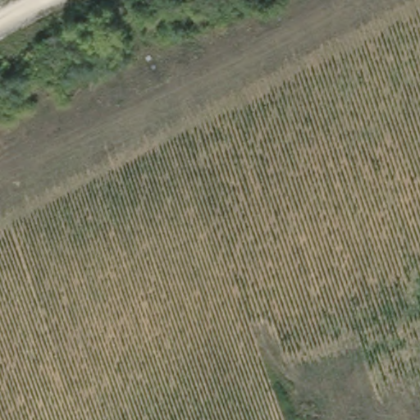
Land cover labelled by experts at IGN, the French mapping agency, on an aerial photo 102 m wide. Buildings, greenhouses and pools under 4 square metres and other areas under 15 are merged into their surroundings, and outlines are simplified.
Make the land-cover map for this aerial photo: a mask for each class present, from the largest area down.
<instances>
[{"label":"vineyard","instance_id":"1","mask_svg":"<svg viewBox=\"0 0 420 420\"><path fill-rule=\"evenodd\" d=\"M15 233L3 231V236H0V420H285L271 379L267 376L266 363H269L272 356L279 359L282 356L289 367H294L302 361H317L323 356H338L340 353H346L348 349H359L364 371L367 372V379L371 384L372 395L377 402H382V397L387 392V382H394L395 377H402L405 384L418 386L420 389V10L415 11V16L409 21H395L394 25L382 31L379 38L364 39L361 48L340 54V59L331 57L330 61L323 62L318 67L302 69L299 74L294 75L292 82H282L279 87H271L269 94L262 95L261 100L249 103L243 110L221 113L217 118H213V121L192 126L182 135L167 139L166 143L161 144L153 153L143 154L120 169L108 171L107 176L95 177L89 184L80 185L79 189L69 192L66 197H59L46 207L33 210L28 218L11 221Z\"/></svg>","mask_w":420,"mask_h":420},{"label":"herbaceous vegetation","instance_id":"2","mask_svg":"<svg viewBox=\"0 0 420 420\"><path fill-rule=\"evenodd\" d=\"M284 16H277L271 21H244L241 25L226 28H205L202 33L195 34L194 39L172 48H157L156 44L151 43L148 48L139 49L135 56L131 57L126 72L118 75L107 72L98 77L97 82H90L89 89L72 90L74 97L71 102L67 103L64 95L56 94V90L48 87L46 90H39L36 94L38 102L33 103L30 108L16 113L15 118L7 123L0 121V236H3V231L15 233L11 221L28 218L33 210L46 207L59 197H66L69 192L79 189L80 185L89 184L95 177L107 176L108 171L120 169L143 154L153 153L161 144L166 143L167 139L182 135L192 126L213 121V118H217L221 113L243 110L249 103L261 100L262 95L269 94L271 87H279L282 82H292L294 75L299 74L302 69L318 67L323 62L330 61L331 57L340 59V54L361 48L364 39L379 38L382 31L394 25L395 21H409L415 16V11L420 10V0H287ZM267 376L271 379L285 420H420V389L418 386L405 384L402 377H395L394 382H387V392L382 397V402H377L372 395L371 384L367 379V372L364 371L359 349H348L346 353H340L338 356H323L317 361H302L294 367H289L282 356L279 359L272 356L269 363H266Z\"/></svg>","mask_w":420,"mask_h":420},{"label":"brushwood","instance_id":"3","mask_svg":"<svg viewBox=\"0 0 420 420\"><path fill-rule=\"evenodd\" d=\"M287 0H66L61 5L39 11L34 18L25 21V26L11 31L5 38L0 39V121L7 123L15 118L16 113L30 108L33 103L38 102L36 94L39 90H46L48 87L56 90V94L64 95L67 103L71 102L74 97L72 90L89 89L90 82H97L98 77L107 72L118 75L126 72L131 57L135 56L139 49L148 48L151 43L156 44L157 48H172L194 39L195 34L202 33L205 28H226L241 25L244 21H271L277 16H284Z\"/></svg>","mask_w":420,"mask_h":420},{"label":"pervious surface","instance_id":"4","mask_svg":"<svg viewBox=\"0 0 420 420\"><path fill-rule=\"evenodd\" d=\"M66 0H0V39L5 38L11 31L25 26V21L34 18L39 11L61 5Z\"/></svg>","mask_w":420,"mask_h":420}]
</instances>
